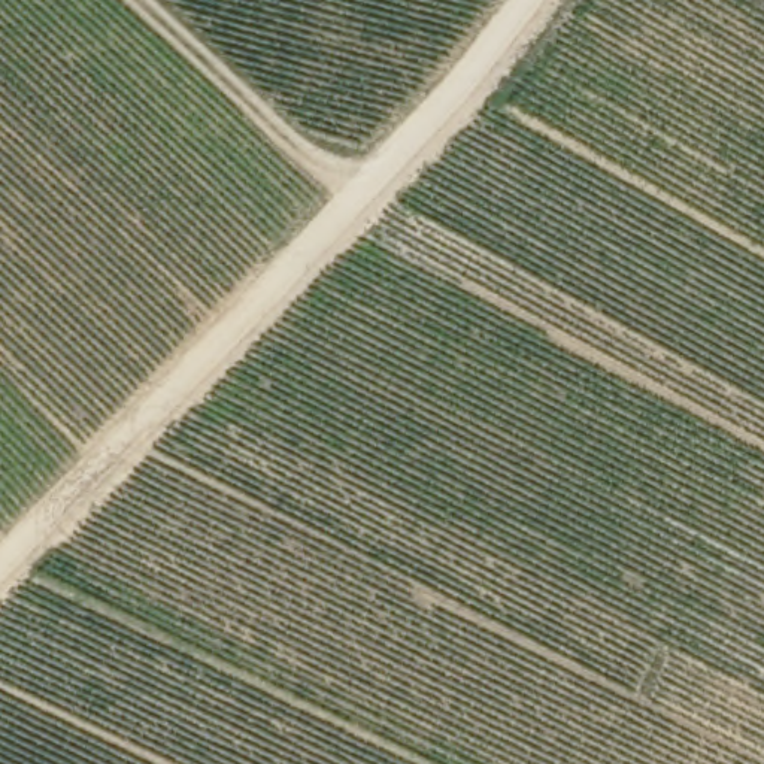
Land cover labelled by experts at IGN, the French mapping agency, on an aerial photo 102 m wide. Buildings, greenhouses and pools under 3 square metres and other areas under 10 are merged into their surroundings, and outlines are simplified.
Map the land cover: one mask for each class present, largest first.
<instances>
[{"label":"vineyard","instance_id":"1","mask_svg":"<svg viewBox=\"0 0 764 764\"><path fill-rule=\"evenodd\" d=\"M328 203V191L313 176L292 164L209 78H203L122 0H0V534L12 531L15 519L39 495H45L48 486L63 475L66 463L78 460L84 442L137 391V385L173 349L182 346V340L197 325L209 319L215 301L233 292V287L257 263L269 266ZM218 57H224V63L236 75H242L257 93H263L275 104V110L287 116L313 146L340 158L373 155L376 146L388 140L391 131L400 122H406V116L424 98V78L433 75L445 57H451L454 45L463 36H469L475 18L486 9H495L501 0H158ZM0 764H764V0H561L549 15L546 27L537 33V39L528 42L525 54L516 60L510 75L501 78L498 90L480 104L475 119L451 137L439 161L427 164L418 173L415 185L400 191L397 200L382 212V218L346 254H340L325 272H319L307 292L298 295L284 310V316L260 334V340L245 352V358L212 385L209 397L200 406H191L182 421L167 427V433L149 448V457L134 469V475L98 510L90 513V519L72 534V540L48 549L30 567L27 579L9 594V600L0 603Z\"/></svg>","mask_w":764,"mask_h":764},{"label":"pervious surface","instance_id":"2","mask_svg":"<svg viewBox=\"0 0 764 764\"><path fill-rule=\"evenodd\" d=\"M203 78H209L292 164L313 176L328 191V203L269 266L257 263L233 287V292L215 301L209 319L197 325L182 340V346L173 349L137 385V391L84 442L78 460L66 463L63 475L48 486L45 495H39L15 519L12 531L0 534V603L9 600V594L27 579L30 567L48 549L72 540V534L90 519V513L98 510L134 475V469L149 457V448L167 433V427L182 421L191 406H200L209 397L212 385L245 358V352L260 340V334L284 316V310L298 295L307 292L319 272H325L340 254H346L382 218V212L397 200L400 191L415 185L418 173L427 164L439 161L451 137L475 119L480 104L498 90L501 78L510 75L516 60L525 54L528 42L537 39V33L546 27L549 15L561 0H501L495 9H486L475 18L469 36H463L454 45L451 57H445L433 75L424 78V98L406 116V122H400L391 131L388 140L376 146L373 155L340 158L313 146L287 116L275 110V104L263 93H257L242 75H236L224 63V57H218L158 0H122Z\"/></svg>","mask_w":764,"mask_h":764}]
</instances>
